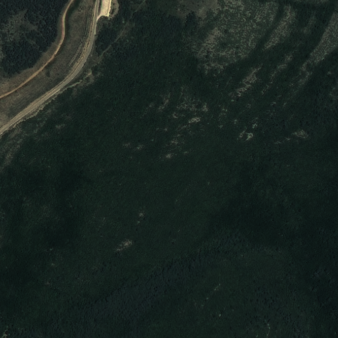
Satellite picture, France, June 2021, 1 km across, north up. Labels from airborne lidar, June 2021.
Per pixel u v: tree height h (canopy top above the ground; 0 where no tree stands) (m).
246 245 8
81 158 6
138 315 12
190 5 0
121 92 8
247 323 7
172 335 6
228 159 13
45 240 11
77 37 0
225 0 0
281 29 0
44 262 11
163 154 9
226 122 6
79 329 12
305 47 10
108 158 8
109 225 7
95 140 6
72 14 0
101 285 10
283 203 14
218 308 7
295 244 13
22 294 10
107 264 9
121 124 10
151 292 16
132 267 10
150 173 9
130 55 9
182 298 7
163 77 6
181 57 6
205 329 8
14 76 0
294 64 8
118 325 10
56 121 6
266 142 7
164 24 9
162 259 11
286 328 6
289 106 7
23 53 8
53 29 10
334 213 16
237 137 8
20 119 0
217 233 9
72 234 12
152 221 10
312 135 15
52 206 8
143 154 9
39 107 0
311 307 13
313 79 10
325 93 12
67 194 8
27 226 11
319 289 18
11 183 12
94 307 20
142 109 8
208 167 10
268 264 7
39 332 9
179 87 7
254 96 6
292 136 7
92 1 0
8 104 0
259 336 7
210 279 8
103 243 8
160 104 9
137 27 8
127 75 9
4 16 8
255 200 14
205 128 9
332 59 9
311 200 13
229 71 8
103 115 8
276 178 12
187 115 7
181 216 8
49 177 9
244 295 10
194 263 14
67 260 8
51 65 0
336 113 12
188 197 9
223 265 6
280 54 7
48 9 12
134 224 7
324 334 11
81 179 13
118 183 8
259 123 8
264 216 13
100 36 9
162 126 6
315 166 11
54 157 11
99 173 9
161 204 6
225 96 5
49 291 11
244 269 7
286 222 10
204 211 13
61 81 0
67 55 0
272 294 9
